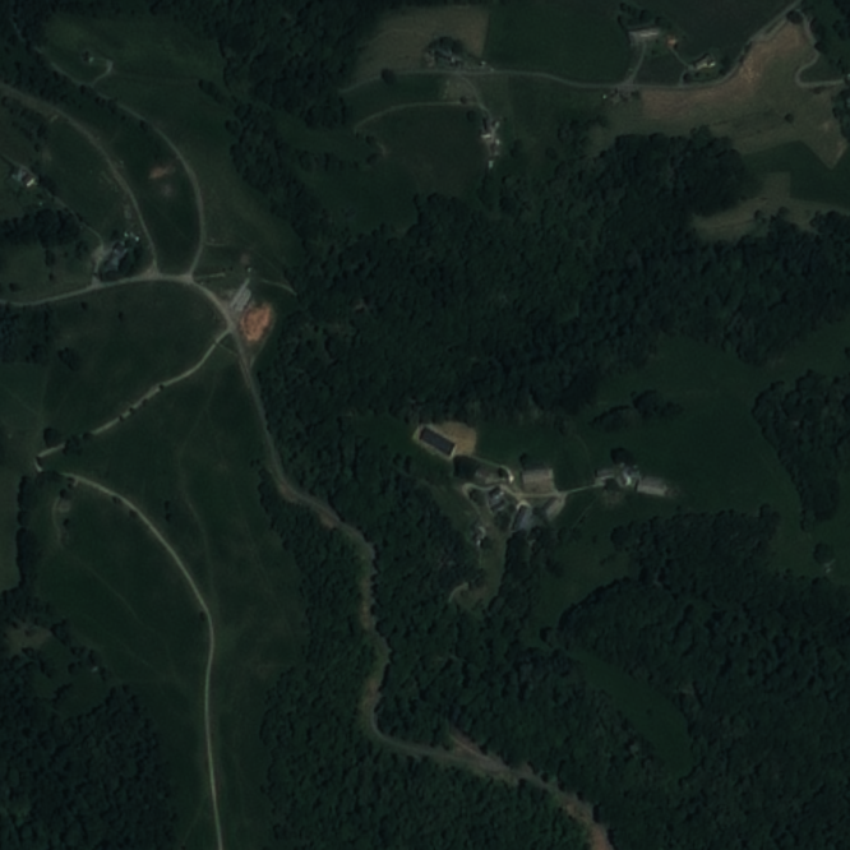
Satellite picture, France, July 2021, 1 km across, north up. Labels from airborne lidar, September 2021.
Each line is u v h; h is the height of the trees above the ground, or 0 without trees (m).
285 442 20
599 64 0
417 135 0
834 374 0
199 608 0
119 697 17
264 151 19
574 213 14
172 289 0
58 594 0
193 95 0
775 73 0
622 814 31
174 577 0
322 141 0
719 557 33
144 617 0
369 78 0
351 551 21
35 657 23
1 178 0
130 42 0
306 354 27
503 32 0
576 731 30
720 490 0
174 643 0
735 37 0
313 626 13
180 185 0
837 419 24
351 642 16
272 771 10
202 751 0
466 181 0
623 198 21
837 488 24
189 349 0
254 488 0
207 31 12
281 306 0
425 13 0
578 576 0
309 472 20
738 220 0
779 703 27
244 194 0
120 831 22
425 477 13
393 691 30
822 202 0
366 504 28
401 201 0
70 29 0
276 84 24
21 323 27
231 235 0
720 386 0
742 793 25
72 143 0
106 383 0
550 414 18
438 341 28
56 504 0
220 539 0
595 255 14
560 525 0
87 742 18
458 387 23
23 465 0
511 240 8
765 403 19
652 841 32
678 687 30
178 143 0
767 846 32
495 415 24
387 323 21
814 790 26
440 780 22
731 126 0
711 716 26
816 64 0
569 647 18
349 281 31
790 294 28
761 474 0
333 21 33
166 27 0
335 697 16
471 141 0
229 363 0
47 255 7
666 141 21
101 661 16
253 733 0
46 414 0
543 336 23
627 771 28
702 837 34
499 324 28
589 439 0
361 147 0
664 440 0
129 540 0
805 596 31
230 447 0
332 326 18
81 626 0
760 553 17
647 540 29
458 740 0
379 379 28
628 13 10
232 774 0
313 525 22
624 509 0
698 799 8
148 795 21
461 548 15
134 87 0
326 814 29
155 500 0
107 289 0
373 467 29
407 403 28
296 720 28
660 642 29
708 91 0
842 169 0
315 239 17
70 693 22
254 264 0
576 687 25
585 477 0
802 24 13
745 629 35
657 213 32
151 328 0
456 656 14
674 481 0
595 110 0
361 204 0
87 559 0
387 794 24
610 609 37
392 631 21
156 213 0
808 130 0
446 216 31
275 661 0
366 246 25
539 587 18
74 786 19
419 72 0
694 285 30
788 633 24
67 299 0
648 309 21
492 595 0
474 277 10
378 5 29
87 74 0
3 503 0
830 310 30
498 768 0
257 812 0
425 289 13
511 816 24
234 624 0
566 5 0
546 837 20
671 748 0
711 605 31
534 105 0
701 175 24
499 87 0
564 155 0
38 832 36
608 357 25
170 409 0
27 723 13
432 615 31
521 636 20
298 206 13
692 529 21
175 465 0
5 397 0
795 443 31
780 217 10
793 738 29
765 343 28
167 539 0
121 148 0
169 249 0
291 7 27
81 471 0
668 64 0
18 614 23
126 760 19
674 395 0
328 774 29
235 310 0
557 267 7
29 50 18
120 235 10
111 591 0
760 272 26
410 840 24
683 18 0
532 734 31
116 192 0
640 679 15
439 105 0
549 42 0
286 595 0
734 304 31
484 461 0
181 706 0
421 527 21
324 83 23
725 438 0
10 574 0
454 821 23
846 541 0
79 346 0
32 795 24
